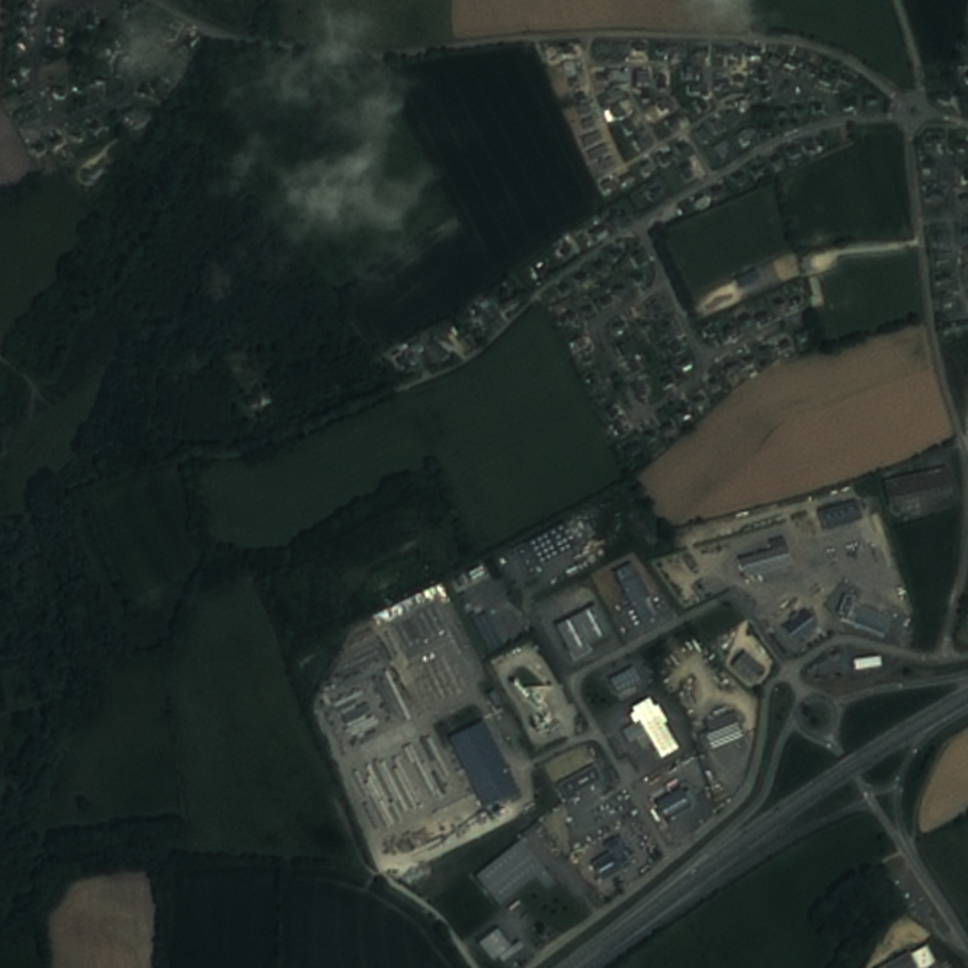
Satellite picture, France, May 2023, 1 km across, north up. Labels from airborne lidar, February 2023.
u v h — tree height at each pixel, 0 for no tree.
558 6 0
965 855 0
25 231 0
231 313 6
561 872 0
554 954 0
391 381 11
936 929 0
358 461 0
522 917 0
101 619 17
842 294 0
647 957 0
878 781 0
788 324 9
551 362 0
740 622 0
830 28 0
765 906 0
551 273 6
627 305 0
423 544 0
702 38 0
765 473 0
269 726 0
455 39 0
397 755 0
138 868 14
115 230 19
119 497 0
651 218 0
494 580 0
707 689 0
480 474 0
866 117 0
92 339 0
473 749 0
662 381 7
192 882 0
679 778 0
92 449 20
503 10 0
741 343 0
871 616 0
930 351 0
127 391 19
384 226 0
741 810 0
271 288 8
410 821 0
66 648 20
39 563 20
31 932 15
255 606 0
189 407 9
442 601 0
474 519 0
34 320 7
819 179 0
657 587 0
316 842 0
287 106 0
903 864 0
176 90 8
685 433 7
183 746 0
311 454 0
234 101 0
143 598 0
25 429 0
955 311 0
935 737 0
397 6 0
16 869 12
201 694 0
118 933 0
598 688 0
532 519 0
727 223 0
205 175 7
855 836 0
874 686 0
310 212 0
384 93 0
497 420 0
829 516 0
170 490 0
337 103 0
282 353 9
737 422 0
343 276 0
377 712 0
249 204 16
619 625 0
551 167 0
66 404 0
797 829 0
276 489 0
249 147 0
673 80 0
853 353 0
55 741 19
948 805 0
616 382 6
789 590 0
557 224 0
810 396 0
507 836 0
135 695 0
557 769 0
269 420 10
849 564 0
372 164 0
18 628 23
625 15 0
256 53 18
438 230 0
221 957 0
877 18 0
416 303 0
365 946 0
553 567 0
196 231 6
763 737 0
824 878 0
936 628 0
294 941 0
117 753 0
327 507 0
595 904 0
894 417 0
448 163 0
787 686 0
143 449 11
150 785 0
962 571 0
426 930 0
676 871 0
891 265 0
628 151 0
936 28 0
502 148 0
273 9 9
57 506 20
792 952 0
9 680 0
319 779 0
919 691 0
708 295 0
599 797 0
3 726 0
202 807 0
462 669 0
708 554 0
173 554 0
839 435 0
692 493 0
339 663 0
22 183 11
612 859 0
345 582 0
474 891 0
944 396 0
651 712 0
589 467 0
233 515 0
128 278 9
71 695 17
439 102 0
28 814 20
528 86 0
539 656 0
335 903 0
